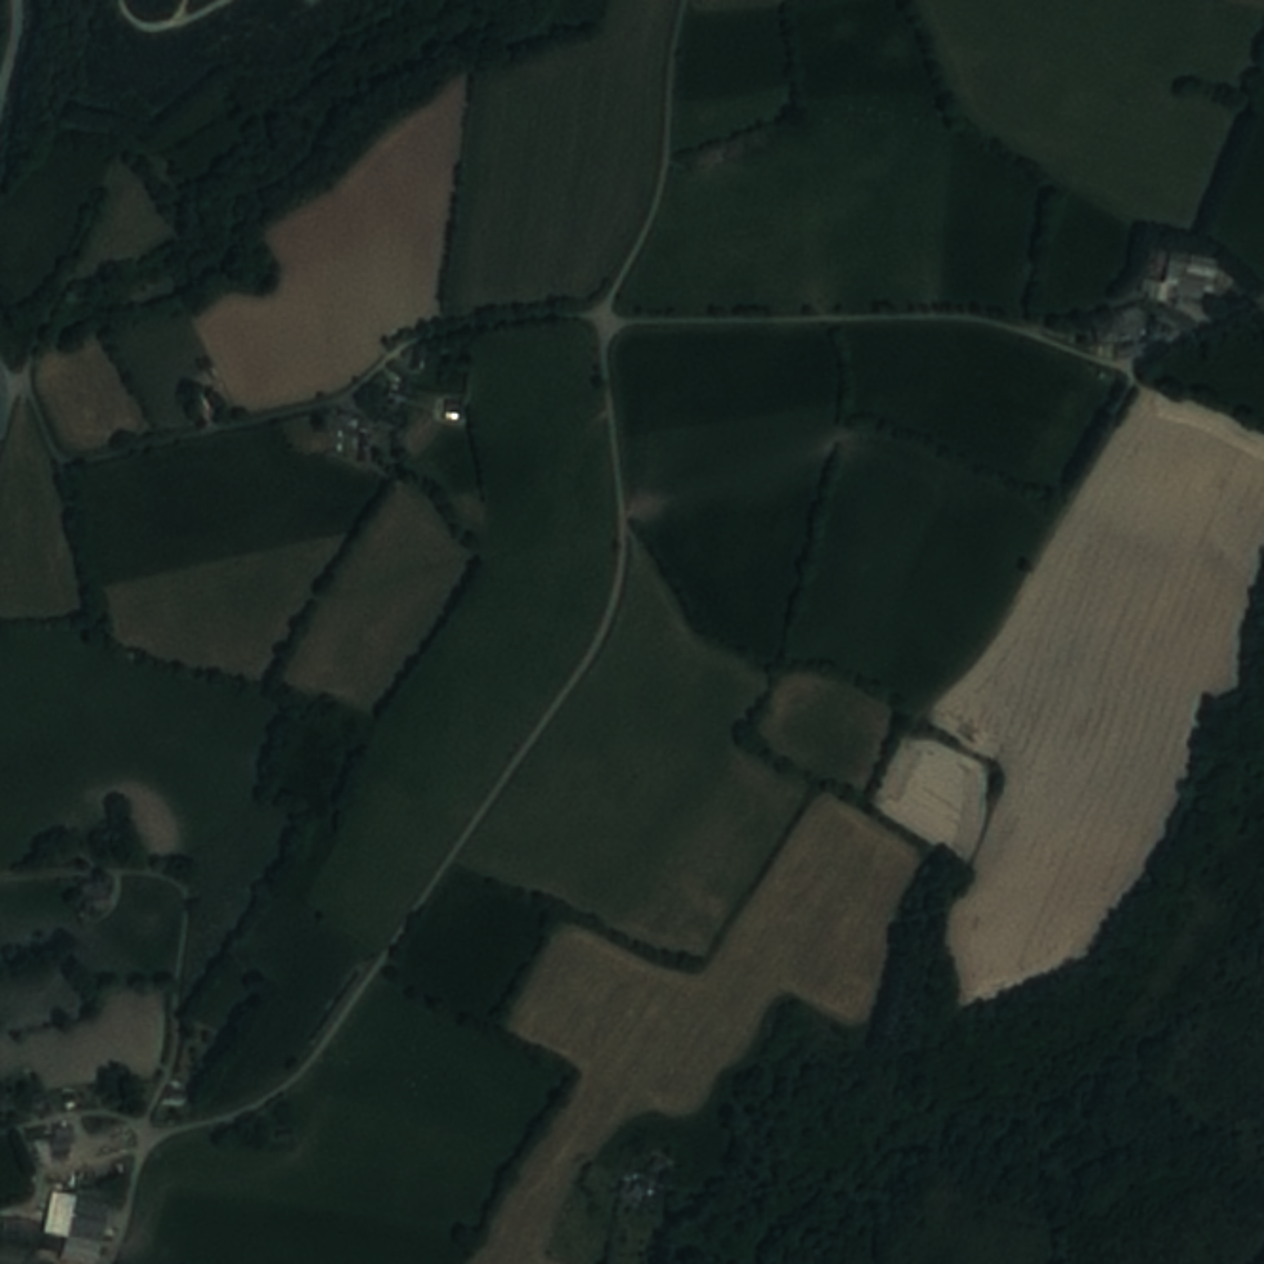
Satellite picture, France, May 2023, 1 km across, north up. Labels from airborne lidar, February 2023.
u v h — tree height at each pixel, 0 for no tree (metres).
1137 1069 6
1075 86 0
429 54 18
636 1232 0
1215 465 0
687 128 0
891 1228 14
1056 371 0
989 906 0
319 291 0
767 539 0
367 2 6
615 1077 0
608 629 0
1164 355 20
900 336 0
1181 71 0
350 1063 0
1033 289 10
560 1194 0
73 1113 0
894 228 0
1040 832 0
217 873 0
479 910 0
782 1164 16
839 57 0
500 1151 0
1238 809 12
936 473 0
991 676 0
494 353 0
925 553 0
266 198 20
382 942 0
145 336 0
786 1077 10
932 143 0
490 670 0
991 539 0
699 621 12
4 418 0
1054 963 0
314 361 0
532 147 0
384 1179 0
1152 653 0
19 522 0
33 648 0
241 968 0
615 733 0
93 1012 14
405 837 0
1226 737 22
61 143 15
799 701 0
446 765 0
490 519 0
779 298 0
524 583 0
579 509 0
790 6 7
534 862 0
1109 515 0
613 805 0
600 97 0
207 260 11
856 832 0
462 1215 0
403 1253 0
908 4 14
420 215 0
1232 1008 0
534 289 0
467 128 8
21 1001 0
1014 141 0
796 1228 16
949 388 0
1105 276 0
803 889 0
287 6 0
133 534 0
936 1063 8
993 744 0
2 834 0
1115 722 0
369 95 18
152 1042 0
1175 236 18
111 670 0
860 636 0
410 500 0
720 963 0
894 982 25
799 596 10
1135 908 17
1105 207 0
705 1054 0
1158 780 0
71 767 0
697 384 0
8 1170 0
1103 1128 19
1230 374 0
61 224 0
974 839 0
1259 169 0
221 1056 20
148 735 0
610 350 0
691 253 0
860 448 0
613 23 0
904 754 0
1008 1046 7
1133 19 0
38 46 14
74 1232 0
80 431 0
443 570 0
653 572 0
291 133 22
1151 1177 8
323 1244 0
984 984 0
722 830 0
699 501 0
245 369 0
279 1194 0
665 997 0
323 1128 0
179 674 12
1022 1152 17
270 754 16
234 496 0
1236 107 15
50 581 0
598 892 0
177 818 0
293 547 0
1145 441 0
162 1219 0
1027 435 0
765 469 0
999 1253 0
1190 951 0
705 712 0
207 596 0
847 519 0
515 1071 0
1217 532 0
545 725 0
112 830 9
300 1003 0
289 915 0
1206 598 0
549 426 0
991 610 0
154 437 7
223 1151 12
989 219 0
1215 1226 0
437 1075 0
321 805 0
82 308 9
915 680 0
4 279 0
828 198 0
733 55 0
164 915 0
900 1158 10
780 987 0
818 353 0
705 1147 0
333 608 0
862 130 0
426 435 0
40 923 0
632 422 0
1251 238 0
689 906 0
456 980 0
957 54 0
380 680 0
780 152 0
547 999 0
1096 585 0
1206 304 15
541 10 11
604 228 0
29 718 0
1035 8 0
